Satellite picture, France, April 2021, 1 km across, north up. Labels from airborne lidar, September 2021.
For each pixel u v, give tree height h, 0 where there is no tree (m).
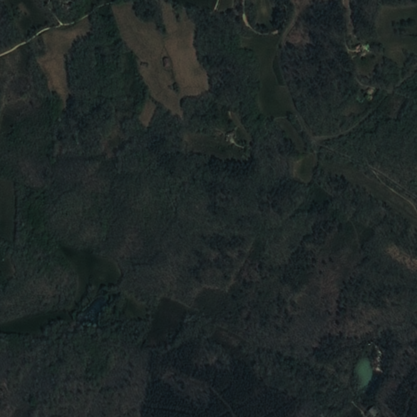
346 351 13
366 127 14
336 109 18
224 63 24
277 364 17
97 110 12
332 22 24
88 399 14
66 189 14
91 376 11
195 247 17
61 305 15
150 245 14
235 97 21
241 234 19
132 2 20
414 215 0
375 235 20
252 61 20
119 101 11
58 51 0
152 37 0
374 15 20
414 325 18
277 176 23
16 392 13
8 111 0
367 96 12
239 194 22
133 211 10
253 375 16
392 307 17
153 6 21
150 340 0
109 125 23
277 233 17
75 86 26
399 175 13
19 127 11
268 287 9
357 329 15
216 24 25
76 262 0
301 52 13
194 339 20
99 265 0
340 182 23
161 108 14
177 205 16
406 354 8
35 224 17
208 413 19
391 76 19
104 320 13
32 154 12
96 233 18
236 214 18
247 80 20
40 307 15
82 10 16
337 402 20
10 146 11
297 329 18
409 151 20
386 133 14
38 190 12
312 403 12
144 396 12
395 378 9
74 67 23
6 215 0
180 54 0
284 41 0
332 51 21
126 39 0
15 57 0
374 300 22
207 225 19
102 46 20
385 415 12
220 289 18
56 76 0
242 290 9
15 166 10
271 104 0
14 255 16
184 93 0
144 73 0
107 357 17
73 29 0
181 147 20
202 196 20
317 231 15
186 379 10
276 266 8
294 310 20
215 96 18
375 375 12
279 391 17
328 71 17
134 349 14
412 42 0
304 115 18
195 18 19
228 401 15
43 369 12
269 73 0
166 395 16
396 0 19
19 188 17
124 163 23
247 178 22
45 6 13
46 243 14
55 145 21
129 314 0
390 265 15
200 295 6
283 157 27
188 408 19
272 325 18
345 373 9
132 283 16
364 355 11
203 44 21
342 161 21
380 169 9
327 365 22
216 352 28
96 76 17
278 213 17
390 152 19
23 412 8
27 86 7
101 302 0
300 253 17
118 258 14
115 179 13
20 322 0
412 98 20
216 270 17
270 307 18
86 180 7
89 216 13
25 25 0
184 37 0
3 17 16
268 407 18
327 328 10
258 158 21
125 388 12
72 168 15
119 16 0
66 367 21
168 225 13
